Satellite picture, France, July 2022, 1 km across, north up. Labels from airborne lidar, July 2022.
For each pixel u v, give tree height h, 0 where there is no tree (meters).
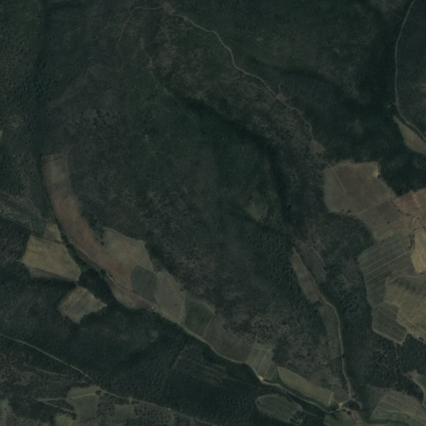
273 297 8
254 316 0
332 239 0
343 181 0
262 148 6
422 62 0
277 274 6
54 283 7
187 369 7
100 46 0
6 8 6
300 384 0
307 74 7
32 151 10
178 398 6
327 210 0
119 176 0
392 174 7
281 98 0
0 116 7
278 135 6
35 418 0
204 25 0
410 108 0
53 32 0
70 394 0
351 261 0
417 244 0
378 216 0
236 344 0
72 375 7
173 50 0
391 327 0
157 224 0
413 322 0
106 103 0
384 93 9
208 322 0
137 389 8
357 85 6
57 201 0
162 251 0
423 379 0
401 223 0
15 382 9
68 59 0
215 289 6
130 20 0
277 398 0
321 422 6
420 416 0
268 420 6
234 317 0
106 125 6
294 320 9
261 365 0
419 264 0
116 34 0
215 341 0
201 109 8
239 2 6
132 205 0
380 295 0
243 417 8
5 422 0
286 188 11
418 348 8
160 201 6
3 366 6
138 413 7
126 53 0
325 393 0
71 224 0
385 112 6
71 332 6
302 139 0
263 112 0
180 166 0
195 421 6
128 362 6
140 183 0
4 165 11
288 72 7
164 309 0
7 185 12
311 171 0
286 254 12
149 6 0
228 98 0
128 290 0
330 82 6
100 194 0
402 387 8
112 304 9
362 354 0
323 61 0
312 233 0
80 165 0
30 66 13
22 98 13
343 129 6
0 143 6
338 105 6
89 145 0
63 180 0
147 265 0
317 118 6
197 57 0
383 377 9
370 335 0
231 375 5
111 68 0
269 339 7
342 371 6
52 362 8
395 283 0
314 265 0
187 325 0
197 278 0
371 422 6
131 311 6
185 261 0
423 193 0
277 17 5
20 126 7
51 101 11
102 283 6
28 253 0
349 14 7
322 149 0
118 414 0
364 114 8
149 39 0
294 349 0
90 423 0
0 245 10
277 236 9
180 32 0
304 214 0
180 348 7
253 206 0
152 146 0
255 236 11
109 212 0
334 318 0
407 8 8
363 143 6
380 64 7
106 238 0
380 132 6
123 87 0
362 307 8
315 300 0
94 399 0
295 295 11
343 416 0
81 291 0
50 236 0
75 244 0
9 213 0
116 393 7
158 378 7
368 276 0
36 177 9
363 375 0
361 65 8
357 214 0
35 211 0
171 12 0
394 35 7
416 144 0
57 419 0
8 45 8
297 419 9
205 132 6
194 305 0
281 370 0
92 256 0
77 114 0
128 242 0
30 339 6
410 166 7
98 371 6
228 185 5
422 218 0
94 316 7
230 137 7
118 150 0
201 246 0
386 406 0
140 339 0
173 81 0
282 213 10
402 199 0
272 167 5
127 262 0
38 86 12
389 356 9
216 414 8
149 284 0
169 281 0
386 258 0
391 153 7
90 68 0
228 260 0
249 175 6
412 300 0
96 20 0
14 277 7
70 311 0
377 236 0
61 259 0
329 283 7
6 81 7
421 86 0
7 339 7
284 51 0
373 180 0
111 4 0
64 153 0
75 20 0
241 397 9
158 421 7
